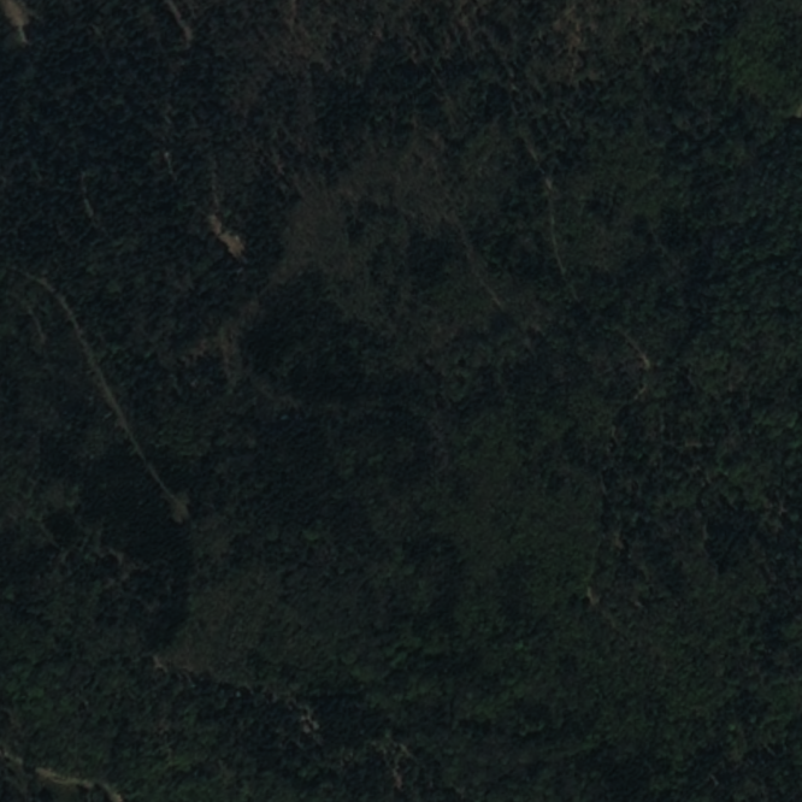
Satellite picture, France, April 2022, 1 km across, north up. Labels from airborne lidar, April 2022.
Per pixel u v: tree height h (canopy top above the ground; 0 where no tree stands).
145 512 17
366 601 25
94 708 28
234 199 25
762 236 31
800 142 26
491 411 20
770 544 32
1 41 17
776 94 24
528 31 32
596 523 27
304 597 21
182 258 27
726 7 10
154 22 25
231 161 22
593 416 21
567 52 33
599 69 18
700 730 24
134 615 17
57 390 15
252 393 25
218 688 24
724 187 32
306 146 32
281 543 27
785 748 30
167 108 25
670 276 22
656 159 18
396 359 21
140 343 27
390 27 22
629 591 28
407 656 31
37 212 30
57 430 19
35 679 28
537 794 33
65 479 13
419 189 18
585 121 33
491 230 18
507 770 29
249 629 15
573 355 23
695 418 12
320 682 15
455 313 13
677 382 14
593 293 18
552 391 22
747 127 34
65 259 8
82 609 16
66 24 27
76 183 33
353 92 30
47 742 29
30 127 7
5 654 19
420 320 12
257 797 25
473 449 24
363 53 32
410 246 20
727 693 22
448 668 29
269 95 7
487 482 27
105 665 22
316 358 19
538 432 27
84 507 9
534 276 20
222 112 27
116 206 26
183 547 19
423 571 26
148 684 22
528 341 26
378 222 16
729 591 25
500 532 22
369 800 26
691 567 31
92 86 31
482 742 31
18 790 28
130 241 22
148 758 24
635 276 21
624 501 9
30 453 18
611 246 15
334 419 22
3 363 19
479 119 34
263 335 21
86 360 16
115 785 25
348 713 30
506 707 29
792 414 28
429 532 26
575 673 28
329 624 26
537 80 15
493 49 38
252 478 30
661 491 29
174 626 18
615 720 25
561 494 28
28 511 16
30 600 14
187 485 19
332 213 18
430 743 24
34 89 26
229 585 12
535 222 20
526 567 22
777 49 28
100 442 16
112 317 28
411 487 25
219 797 25
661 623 27
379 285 18
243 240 25
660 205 16
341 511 28
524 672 22
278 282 15
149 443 14
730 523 11
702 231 20
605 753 28
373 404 21
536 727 22
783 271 29
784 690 35
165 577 12
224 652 19
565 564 25
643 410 23
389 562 27
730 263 32
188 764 26
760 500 15
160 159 25
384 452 26
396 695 29
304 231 24
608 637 28
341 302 15
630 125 31
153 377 37
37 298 16
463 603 22
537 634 26
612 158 13
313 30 25
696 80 25
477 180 20
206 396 9
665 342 21
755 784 25
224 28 28
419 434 26
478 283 18
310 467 30
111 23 28
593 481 26
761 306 27
